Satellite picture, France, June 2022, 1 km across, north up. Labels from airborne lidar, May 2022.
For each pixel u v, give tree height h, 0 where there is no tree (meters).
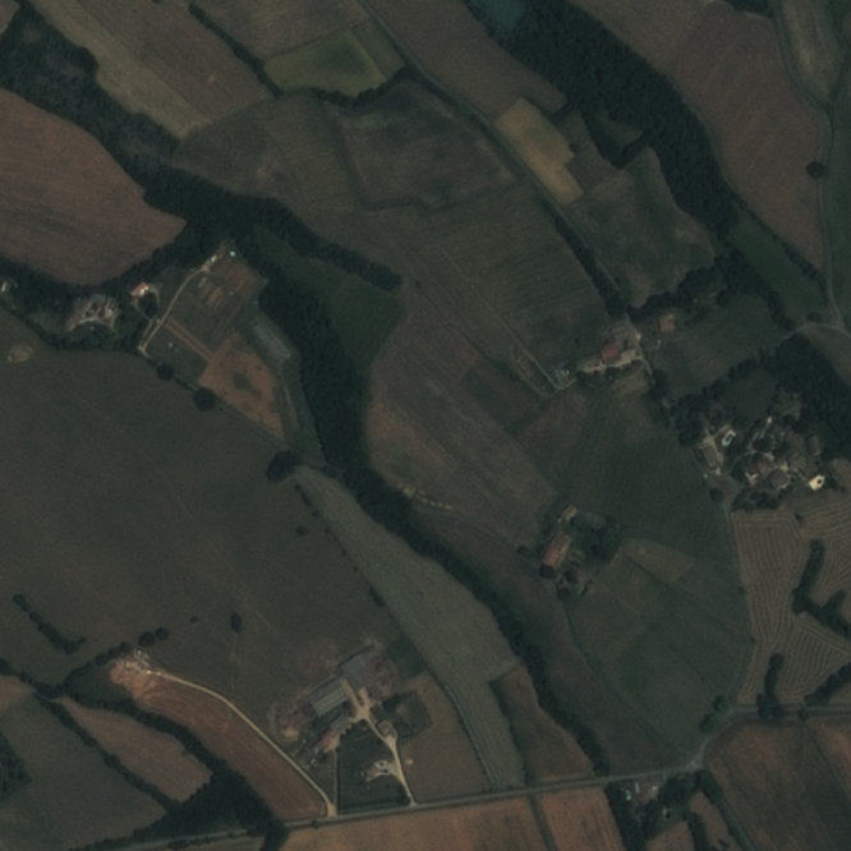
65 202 0
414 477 0
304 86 0
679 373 0
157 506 0
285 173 0
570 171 0
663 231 0
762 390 0
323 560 0
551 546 0
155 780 0
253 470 0
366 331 0
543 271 0
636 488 0
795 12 0
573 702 0
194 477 0
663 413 10
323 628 0
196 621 7
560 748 0
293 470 10
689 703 0
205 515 0
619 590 0
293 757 0
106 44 0
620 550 0
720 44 0
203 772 0
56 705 12
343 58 0
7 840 0
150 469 0
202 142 0
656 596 0
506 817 0
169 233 0
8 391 0
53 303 6
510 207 0
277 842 22
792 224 0
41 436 0
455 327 0
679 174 16
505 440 0
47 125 0
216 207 16
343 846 0
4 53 12
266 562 0
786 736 0
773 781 0
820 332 0
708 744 0
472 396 0
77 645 9
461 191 0
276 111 0
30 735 0
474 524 0
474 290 0
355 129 0
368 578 0
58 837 0
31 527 0
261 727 0
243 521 0
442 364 0
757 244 0
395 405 0
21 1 14
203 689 0
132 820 0
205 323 0
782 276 0
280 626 0
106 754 8
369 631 0
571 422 0
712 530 0
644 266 0
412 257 0
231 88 0
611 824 0
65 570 0
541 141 0
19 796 0
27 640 0
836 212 0
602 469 0
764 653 0
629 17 0
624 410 0
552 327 0
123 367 0
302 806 0
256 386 0
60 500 0
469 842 0
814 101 0
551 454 0
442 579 0
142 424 0
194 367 0
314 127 0
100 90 9
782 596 0
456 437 0
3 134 0
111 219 0
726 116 0
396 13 0
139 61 0
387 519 15
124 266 0
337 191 0
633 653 0
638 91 17
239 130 0
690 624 0
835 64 0
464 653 0
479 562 0
